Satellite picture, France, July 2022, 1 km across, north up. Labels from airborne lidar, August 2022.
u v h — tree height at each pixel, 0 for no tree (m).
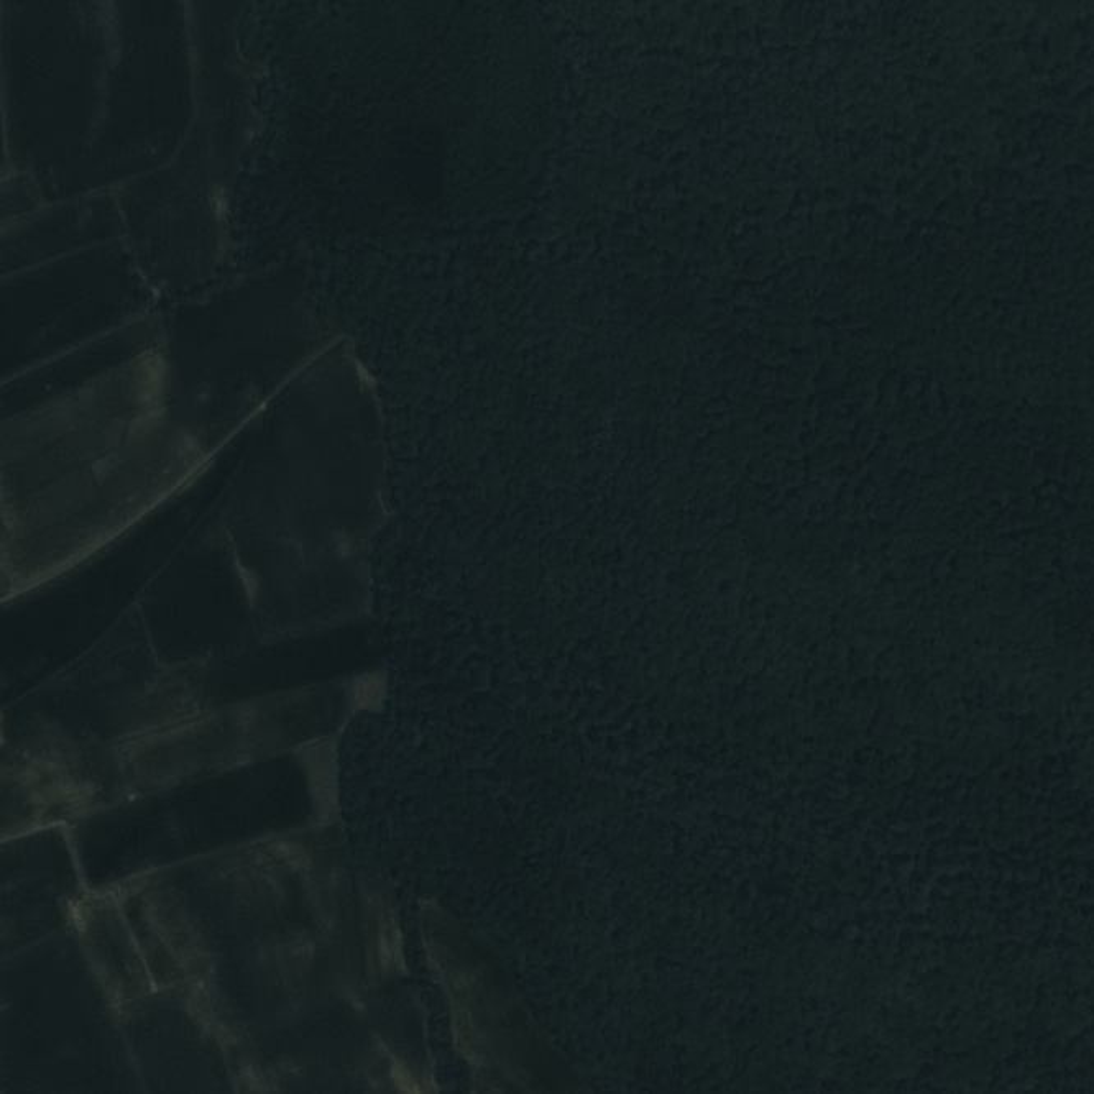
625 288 25
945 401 21
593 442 22
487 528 29
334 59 12
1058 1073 26
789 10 33
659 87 22
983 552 24
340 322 18
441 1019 18
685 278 28
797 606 26
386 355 25
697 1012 24
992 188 23
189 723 0
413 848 25
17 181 0
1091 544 26
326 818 0
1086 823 21
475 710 28
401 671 18
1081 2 27
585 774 28
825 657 25
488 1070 0
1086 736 25
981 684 25
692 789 7
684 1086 31
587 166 27
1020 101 30
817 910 23
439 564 29
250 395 18
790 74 23
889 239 25
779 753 29
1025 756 25
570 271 24
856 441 27
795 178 26
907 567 24
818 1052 28
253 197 17
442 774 30
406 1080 0
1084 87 20
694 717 13
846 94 24
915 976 23
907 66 24
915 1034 27
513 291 23
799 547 18
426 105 11
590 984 24
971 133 34
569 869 23
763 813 25
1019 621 21
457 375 21
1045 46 26
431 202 9
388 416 17
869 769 8
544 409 26
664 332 25
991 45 29
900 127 24
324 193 11
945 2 32
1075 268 28
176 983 0
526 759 26
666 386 20
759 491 22
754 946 27
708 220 27
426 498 19
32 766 0
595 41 23
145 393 0
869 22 25
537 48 6
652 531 23
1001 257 28
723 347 22
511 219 9
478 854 31
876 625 27
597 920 23
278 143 17
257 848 0
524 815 30
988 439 25
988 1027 23
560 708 24
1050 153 31
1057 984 27
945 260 28
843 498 27
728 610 23
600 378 25
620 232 25
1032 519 25
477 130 6
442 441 23
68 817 0
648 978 26
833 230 29
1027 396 27
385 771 29
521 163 8
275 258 24
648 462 25
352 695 0
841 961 26
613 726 30
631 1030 30
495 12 6
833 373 26
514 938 25
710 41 18
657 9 22
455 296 25
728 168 20
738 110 23
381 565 19
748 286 20
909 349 25
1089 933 23
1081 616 21
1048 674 26
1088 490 27
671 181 25
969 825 22
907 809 15
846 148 24
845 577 21
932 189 33
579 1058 27
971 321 25
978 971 24
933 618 26
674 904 28
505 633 21
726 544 24
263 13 10
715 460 23
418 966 16
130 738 0
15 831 0
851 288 28
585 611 21
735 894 24
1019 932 27
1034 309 26
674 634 29
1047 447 28
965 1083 30
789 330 21
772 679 29
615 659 26
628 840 22
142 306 12
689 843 26
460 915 19
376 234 13
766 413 21
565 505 26
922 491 26
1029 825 24
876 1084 30
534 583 29
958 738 23
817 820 26
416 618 22
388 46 9
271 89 19
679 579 25
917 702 26
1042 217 27
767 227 27
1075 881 19
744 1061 30
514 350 23
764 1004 28
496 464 25
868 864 25
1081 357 22
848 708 28
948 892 22
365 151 8
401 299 29
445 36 8
